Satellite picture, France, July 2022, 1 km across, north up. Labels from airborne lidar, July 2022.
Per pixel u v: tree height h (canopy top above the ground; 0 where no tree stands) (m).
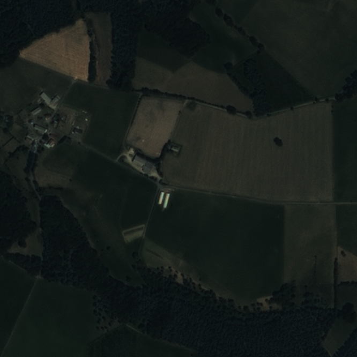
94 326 0
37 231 0
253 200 0
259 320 20
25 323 0
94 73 21
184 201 0
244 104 0
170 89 0
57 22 23
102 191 0
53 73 0
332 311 17
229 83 0
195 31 27
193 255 0
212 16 0
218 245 0
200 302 9
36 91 0
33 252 0
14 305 0
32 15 22
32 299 0
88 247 23
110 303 18
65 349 0
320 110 0
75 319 0
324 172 0
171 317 22
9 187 28
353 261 0
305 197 0
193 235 0
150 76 0
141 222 0
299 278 0
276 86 0
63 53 0
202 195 0
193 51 15
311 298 14
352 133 0
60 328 0
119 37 22
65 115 0
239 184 0
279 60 0
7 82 0
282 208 0
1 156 0
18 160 12
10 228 18
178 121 0
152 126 0
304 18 0
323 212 0
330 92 0
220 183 0
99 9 22
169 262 0
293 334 22
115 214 0
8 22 25
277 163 0
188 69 0
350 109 0
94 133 0
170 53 0
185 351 0
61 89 0
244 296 0
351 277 0
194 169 0
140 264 16
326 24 0
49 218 22
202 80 0
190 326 19
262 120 0
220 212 0
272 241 0
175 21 30
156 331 18
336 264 10
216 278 0
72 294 0
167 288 14
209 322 23
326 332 19
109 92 0
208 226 0
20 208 28
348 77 0
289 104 0
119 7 26
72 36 0
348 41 0
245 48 0
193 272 0
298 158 0
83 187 0
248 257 0
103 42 0
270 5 0
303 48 0
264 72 0
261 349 21
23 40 24
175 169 0
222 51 0
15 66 0
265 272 0
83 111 0
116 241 0
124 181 0
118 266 0
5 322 0
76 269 17
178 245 0
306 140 0
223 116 0
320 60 0
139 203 0
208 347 19
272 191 0
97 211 0
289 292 19
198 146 0
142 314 23
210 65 0
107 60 0
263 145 0
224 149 0
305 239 0
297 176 0
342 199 0
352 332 0
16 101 0
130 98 0
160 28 27
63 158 0
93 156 0
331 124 0
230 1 0
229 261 0
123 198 0
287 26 0
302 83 0
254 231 0
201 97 0
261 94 15
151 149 0
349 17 0
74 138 0
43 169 0
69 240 15
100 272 27
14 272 0
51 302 0
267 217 0
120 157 0
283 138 0
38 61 0
